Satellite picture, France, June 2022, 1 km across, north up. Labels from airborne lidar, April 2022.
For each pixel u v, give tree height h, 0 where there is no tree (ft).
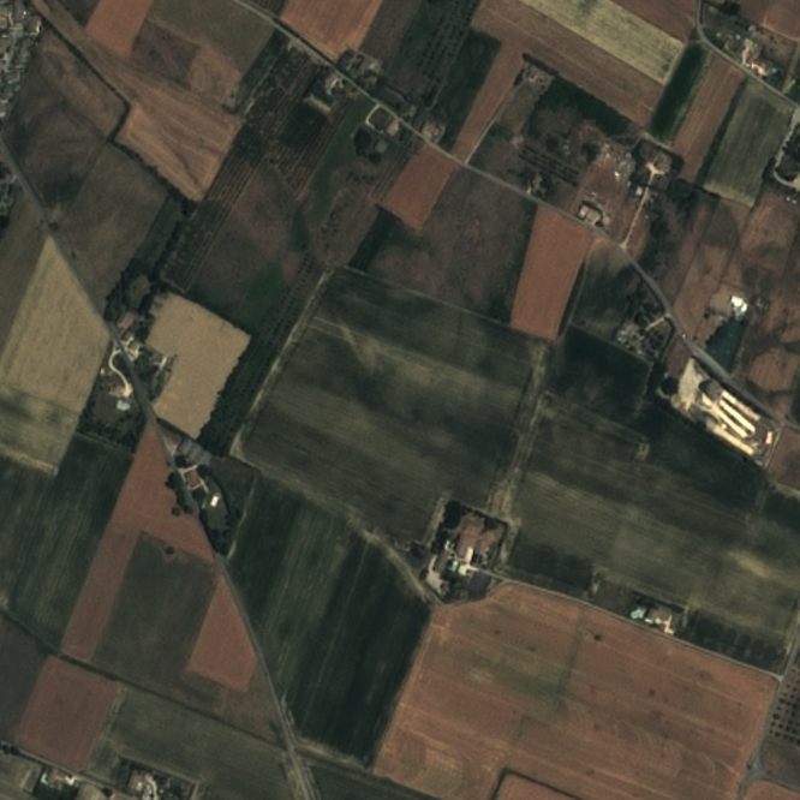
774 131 0
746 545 0
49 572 0
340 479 0
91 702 0
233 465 0
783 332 0
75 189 0
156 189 0
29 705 0
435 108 0
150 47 0
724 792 0
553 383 0
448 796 0
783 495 0
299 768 0
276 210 0
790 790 0
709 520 0
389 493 0
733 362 0
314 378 0
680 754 0
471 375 0
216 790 0
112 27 0
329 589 0
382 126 20
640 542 0
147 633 0
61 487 0
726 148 0
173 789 24
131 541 0
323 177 0
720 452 0
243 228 0
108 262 0
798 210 0
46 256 0
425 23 0
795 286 0
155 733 0
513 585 0
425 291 0
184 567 0
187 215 63
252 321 0
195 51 0
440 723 0
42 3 0
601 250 0
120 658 0
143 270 45
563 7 0
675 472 0
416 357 0
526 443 0
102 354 0
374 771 0
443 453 0
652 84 0
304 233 0
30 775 0
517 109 0
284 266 0
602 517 0
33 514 0
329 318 0
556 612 0
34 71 0
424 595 0
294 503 0
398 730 0
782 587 0
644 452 0
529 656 0
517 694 0
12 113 0
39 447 0
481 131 0
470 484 0
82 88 0
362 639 0
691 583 0
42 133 0
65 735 0
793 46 0
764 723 0
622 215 0
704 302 0
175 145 0
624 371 0
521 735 0
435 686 0
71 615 0
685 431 0
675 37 0
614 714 0
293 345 0
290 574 0
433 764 0
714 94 0
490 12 0
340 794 0
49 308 0
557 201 0
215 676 0
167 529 0
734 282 0
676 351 0
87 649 0
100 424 19
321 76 25
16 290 0
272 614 0
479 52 0
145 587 0
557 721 0
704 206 0
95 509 0
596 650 0
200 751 0
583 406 0
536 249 0
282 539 0
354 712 0
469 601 0
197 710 0
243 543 0
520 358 0
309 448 0
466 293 0
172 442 0
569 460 0
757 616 0
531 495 0
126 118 24
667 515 0
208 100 0
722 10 28
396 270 0
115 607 0
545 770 0
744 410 0
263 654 0
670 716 0
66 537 0
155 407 0
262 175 0
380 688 0
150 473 0
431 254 0
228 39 0
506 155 0
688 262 0
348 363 0
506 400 0
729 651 0
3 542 0
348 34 0
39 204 0
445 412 0
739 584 0
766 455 0
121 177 0
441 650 0
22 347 0
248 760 0
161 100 0
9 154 0
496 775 0
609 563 0
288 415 0
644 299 30
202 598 0
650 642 0
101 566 0
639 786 0
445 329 0
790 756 0
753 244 0
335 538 0
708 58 0
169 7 0
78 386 0
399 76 0
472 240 0
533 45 0
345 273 0
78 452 0
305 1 0
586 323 0
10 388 0
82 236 0
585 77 0
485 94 0
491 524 38
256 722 0
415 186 0
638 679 0
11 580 0
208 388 0
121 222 0
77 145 0
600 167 0
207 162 0
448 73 0
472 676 0
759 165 0
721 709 0
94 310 0
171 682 0
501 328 0
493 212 0
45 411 0
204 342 0
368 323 0
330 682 0
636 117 0
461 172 0
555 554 0
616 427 0
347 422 0
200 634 0
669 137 0
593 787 0
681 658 0
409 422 0
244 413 21
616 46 0
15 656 0
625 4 0
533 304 0
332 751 0
